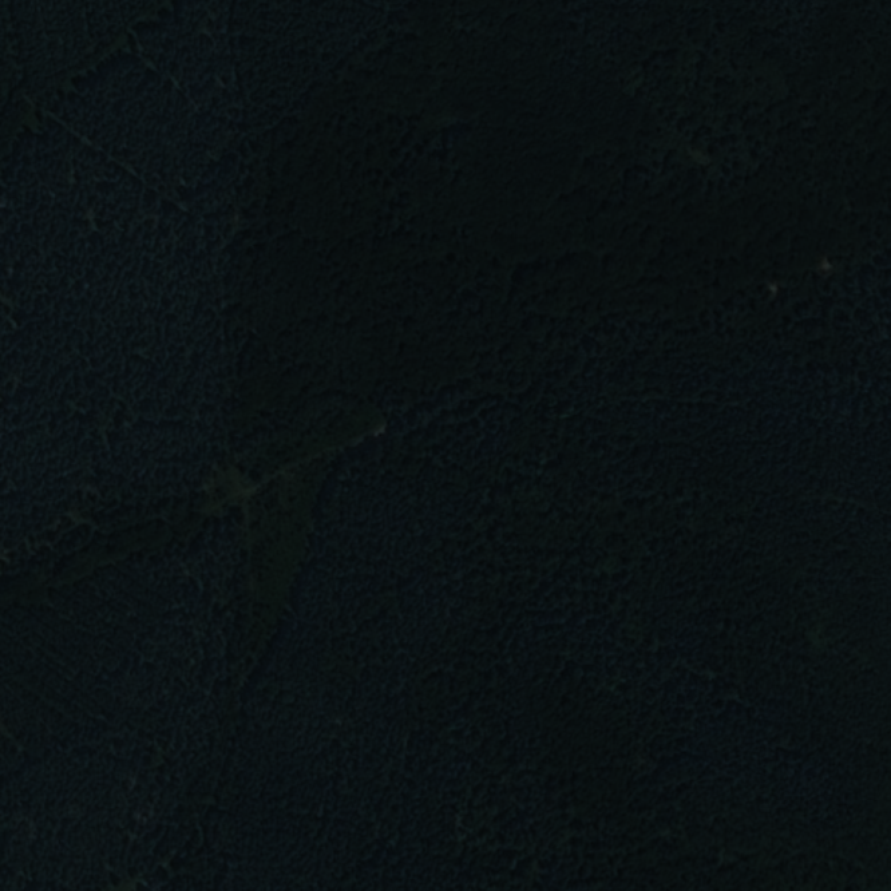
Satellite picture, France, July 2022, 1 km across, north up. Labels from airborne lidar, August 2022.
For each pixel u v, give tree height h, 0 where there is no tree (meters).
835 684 10
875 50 16
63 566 25
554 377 20
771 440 26
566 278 17
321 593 24
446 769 25
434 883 23
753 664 18
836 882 10
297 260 25
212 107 22
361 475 26
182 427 24
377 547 27
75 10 14
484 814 27
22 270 19
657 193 16
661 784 11
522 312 19
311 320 23
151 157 21
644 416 25
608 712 12
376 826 26
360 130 18
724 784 16
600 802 10
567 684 16
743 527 7
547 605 19
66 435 23
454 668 21
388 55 20
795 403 25
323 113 17
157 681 22
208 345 27
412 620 27
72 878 24
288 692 25
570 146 23
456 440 23
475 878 24
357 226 16
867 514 21
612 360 13
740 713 24
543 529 10
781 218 21
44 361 25
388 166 11
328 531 21
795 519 20
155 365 24
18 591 21
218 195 27
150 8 9
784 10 23
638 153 10
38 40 16
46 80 18
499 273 18
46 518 29
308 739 20
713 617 20
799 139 11
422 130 7
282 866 26
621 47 18
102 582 16
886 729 12
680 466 20
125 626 12
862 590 14
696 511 14
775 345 12
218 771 14
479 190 26
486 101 27
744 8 19
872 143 12
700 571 9
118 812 27
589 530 10
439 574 21
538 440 12
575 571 18
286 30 16
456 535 21
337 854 28
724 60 7
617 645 30
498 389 12
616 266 21
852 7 19
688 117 16
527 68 25
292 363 20
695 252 14
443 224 21
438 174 25
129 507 21
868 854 16
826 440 22
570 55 25
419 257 11
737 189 15
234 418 22
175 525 22
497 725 16
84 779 24
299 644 22
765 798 23
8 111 16
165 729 8
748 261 25
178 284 14
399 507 25
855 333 19
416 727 17
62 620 16
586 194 24
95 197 19
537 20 16
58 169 21
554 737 13
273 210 20
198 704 28
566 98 24
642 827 12
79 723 11
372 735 22
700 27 15
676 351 11
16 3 18
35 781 27
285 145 21
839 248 19
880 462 25
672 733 12
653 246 14
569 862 20
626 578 17
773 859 15
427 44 21
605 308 15
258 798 28
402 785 16
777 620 13
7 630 15
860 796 17
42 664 13
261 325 24
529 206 24
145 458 26
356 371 20
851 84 17
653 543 24
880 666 14
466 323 25
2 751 15
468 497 24
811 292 8
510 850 10
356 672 21
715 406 17
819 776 23
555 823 24
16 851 25
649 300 23
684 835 10
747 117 7
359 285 14
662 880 8
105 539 14
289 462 8
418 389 19
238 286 22
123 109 25
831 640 9
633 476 21
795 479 24
